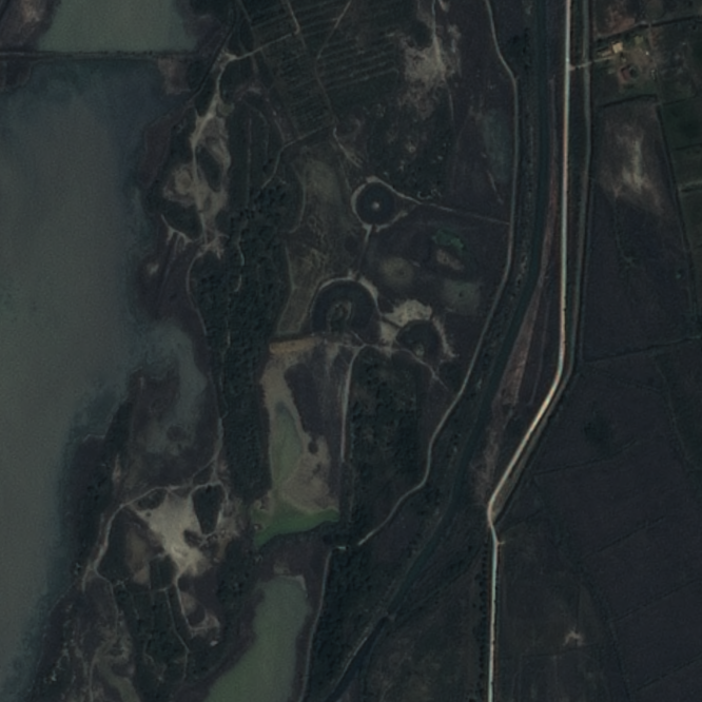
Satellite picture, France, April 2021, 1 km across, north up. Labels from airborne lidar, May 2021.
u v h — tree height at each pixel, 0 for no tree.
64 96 0
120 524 0
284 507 0
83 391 0
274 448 0
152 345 0
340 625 11
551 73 0
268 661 0
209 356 0
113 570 0
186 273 0
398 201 0
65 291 0
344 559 9
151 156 0
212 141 0
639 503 0
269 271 7
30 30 0
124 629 0
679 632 0
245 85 0
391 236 0
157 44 0
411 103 0
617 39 8
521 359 0
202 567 0
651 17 0
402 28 0
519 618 0
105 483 6
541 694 0
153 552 0
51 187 0
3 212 0
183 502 0
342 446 0
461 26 0
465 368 0
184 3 0
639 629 0
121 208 0
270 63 0
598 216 0
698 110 0
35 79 0
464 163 0
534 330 0
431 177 0
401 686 0
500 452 0
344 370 0
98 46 0
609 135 0
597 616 0
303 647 0
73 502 0
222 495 0
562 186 0
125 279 0
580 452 0
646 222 0
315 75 0
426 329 0
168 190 0
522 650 0
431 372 0
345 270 0
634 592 0
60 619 0
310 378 0
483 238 0
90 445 0
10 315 0
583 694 0
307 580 0
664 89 0
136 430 0
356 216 0
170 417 0
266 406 0
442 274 0
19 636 0
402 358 0
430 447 0
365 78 0
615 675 0
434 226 0
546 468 0
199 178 0
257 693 0
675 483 0
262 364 0
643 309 0
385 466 0
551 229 0
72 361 0
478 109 0
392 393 6
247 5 8
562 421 0
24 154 0
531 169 0
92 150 0
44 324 0
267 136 0
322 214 0
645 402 0
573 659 0
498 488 0
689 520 0
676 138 0
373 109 0
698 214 0
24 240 0
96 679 0
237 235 6
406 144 0
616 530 0
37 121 0
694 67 0
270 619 0
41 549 0
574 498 0
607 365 0
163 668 0
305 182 0
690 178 0
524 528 0
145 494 0
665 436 0
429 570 0
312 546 0
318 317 0
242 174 0
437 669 0
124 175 0
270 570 0
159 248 0
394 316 0
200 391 0
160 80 0
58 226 0
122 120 0
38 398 0
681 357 0
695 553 0
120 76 0
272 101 0
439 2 0
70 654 0
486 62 0
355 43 0
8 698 0
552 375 0
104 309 0
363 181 0
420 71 0
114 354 0
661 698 0
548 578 0
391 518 0
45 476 0
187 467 0
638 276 0
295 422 0
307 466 0
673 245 0
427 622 0
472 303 0
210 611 0
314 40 0
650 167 0
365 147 0
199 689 0
